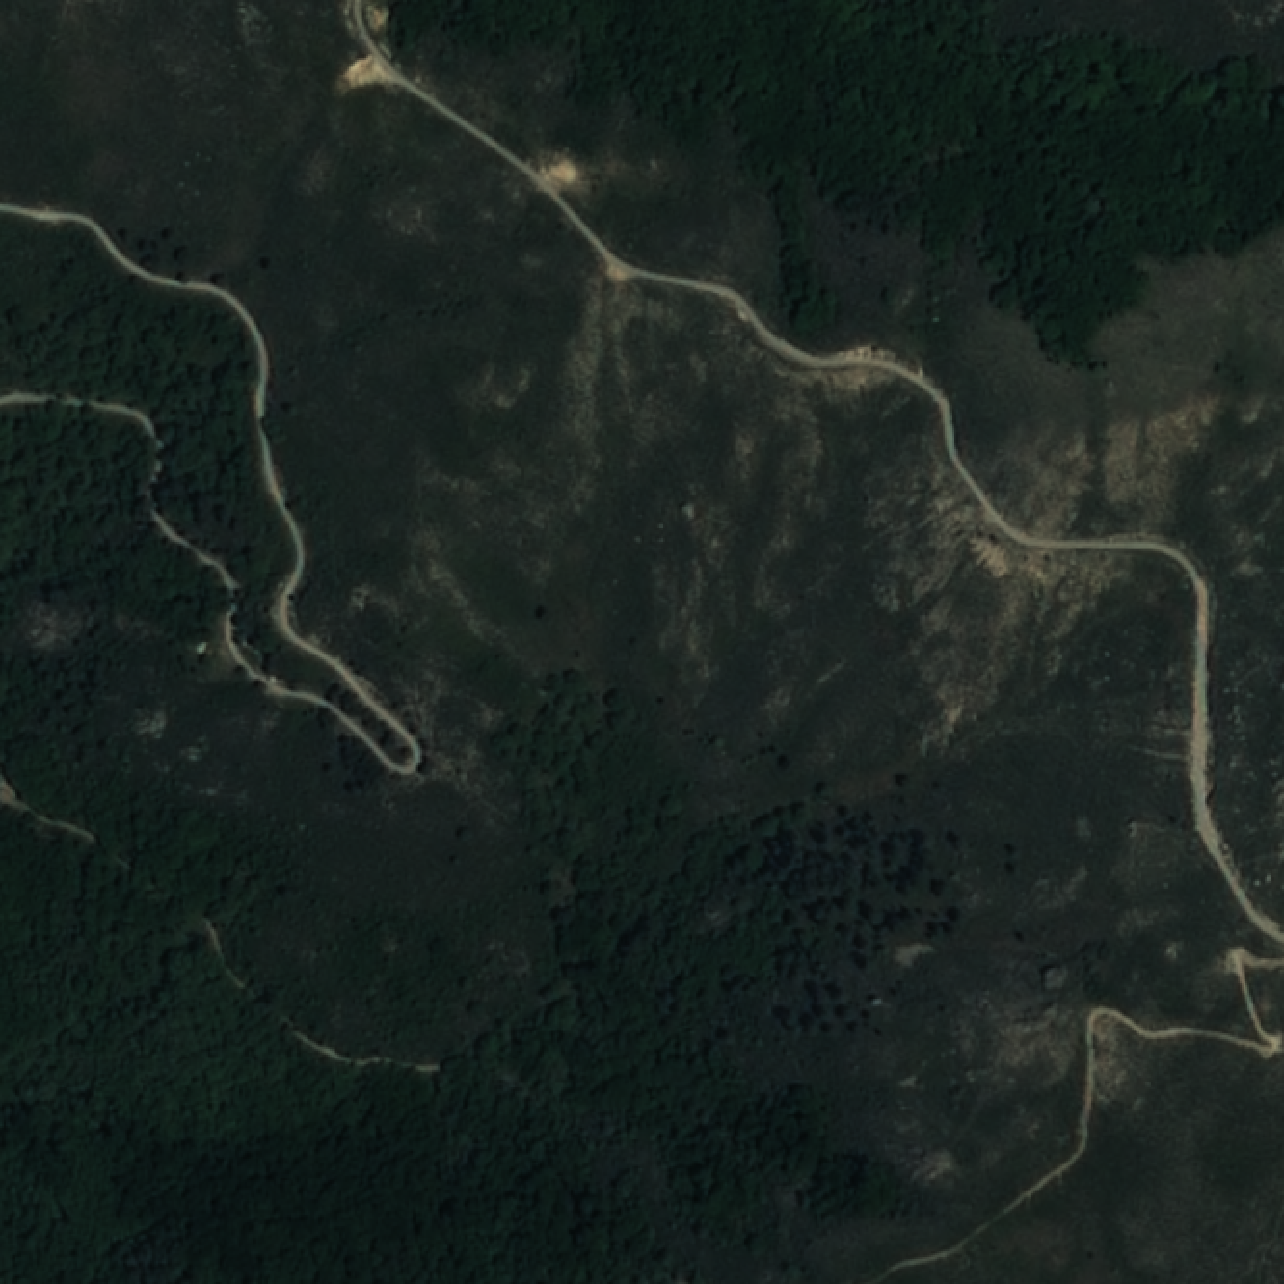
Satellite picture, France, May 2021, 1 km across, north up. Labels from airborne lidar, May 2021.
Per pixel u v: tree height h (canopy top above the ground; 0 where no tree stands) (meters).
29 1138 22
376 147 0
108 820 11
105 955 10
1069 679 0
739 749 0
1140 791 0
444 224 0
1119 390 0
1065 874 0
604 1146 7
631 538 0
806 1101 23
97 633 12
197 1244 25
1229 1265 0
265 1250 22
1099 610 0
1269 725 0
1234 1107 0
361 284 0
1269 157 19
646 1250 8
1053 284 15
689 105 18
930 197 13
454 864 9
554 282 0
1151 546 0
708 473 0
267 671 12
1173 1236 0
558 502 0
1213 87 23
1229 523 0
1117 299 15
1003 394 0
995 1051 0
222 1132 24
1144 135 27
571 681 18
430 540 0
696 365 0
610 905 28
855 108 13
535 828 16
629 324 0
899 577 0
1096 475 0
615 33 21
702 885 12
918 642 0
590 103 12
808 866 25
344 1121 29
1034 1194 0
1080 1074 0
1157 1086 0
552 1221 24
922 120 19
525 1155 17
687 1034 6
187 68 0
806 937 15
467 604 0
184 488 9
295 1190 23
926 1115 0
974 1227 0
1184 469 0
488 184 0
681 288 0
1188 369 0
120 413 0
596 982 26
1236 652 0
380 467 0
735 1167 13
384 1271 24
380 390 0
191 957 18
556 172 0
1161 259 9
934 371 0
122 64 0
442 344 0
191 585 15
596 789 20
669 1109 19
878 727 0
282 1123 21
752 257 0
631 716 16
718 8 13
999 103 30
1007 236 18
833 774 0
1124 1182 0
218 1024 14
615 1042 25
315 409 0
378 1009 13
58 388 12
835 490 0
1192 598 0
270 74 0
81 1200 17
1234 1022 0
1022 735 0
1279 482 0
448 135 0
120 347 17
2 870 24
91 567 13
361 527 0
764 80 17
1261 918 0
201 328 7
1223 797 0
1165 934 0
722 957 25
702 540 0
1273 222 14
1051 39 10
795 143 20
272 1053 15
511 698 5
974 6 16
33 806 14
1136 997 0
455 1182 12
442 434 0
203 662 9
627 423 0
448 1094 13
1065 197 15
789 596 0
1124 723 0
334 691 11
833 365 0
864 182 13
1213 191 15
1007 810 0
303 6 0
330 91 0
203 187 0
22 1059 16
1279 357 0
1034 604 0
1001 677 0
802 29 17
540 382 0
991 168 8
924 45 30
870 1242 0
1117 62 18
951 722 0
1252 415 0
